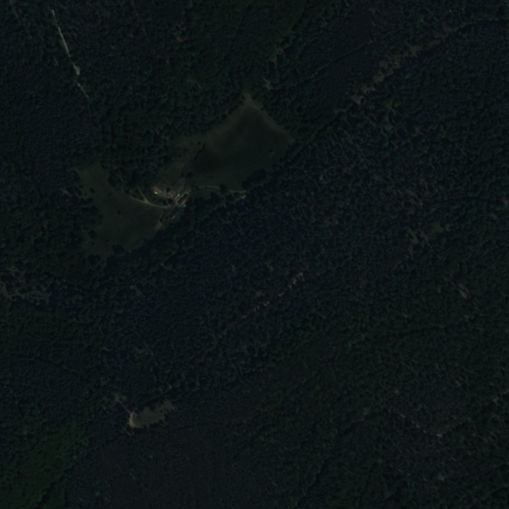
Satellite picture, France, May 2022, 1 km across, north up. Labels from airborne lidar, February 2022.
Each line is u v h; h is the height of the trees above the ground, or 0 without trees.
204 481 22
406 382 19
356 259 22
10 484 19
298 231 23
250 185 17
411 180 21
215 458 21
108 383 24
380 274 9
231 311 26
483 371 22
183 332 21
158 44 24
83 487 24
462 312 23
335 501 22
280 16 15
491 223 20
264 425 23
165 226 0
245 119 0
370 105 12
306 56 24
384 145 10
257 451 18
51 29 7
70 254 25
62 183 25
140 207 0
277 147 0
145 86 16
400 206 22
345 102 9
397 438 8
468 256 20
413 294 20
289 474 22
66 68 22
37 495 22
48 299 0
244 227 28
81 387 27
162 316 28
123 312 23
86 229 23
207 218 25
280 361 16
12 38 19
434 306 18
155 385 11
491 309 21
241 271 28
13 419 21
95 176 0
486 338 21
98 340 28
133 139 28
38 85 19
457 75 19
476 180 26
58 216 21
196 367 23
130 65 10
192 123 21
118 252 26
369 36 9
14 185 22
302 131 24
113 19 9
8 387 21
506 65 25
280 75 21
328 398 18
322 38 11
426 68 24
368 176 21
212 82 19
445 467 7
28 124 24
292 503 21
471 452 24
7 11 22
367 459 25
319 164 13
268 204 11
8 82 26
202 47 12
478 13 21
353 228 26
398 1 19
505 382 22
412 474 25
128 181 7
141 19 7
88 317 23
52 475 24
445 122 25
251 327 6
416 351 21
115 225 0
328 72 9
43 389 24
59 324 24
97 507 18
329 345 16
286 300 26
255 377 17
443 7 22
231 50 19
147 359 8
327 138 7
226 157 0
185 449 20
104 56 19
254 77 21
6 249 24
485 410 22
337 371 21
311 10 23
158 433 17
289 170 19
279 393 17
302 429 22
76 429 20
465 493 28
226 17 9
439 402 27
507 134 27
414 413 22
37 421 20
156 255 27
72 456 18
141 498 18
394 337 21
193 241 26
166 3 12
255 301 26
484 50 22
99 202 0
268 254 28
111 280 29
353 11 8
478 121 27
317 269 24
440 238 21
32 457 19
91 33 11
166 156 8
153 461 16
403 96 25
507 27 21
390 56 21
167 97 22
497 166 30
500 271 16
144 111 26
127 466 18
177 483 17
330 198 28
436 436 13
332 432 16
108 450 20
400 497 33
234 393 15
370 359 23
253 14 14
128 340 26
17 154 19
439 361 23
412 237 16
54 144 25
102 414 25
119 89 12
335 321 20
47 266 19
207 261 26
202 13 11
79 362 25
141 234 0
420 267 20
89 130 24
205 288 23
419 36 22
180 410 18
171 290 28
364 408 20
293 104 21
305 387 17
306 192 8
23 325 21
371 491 32
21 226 20
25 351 20
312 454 20
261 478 21
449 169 23
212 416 18
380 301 19
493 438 8
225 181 0
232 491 20
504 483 10
